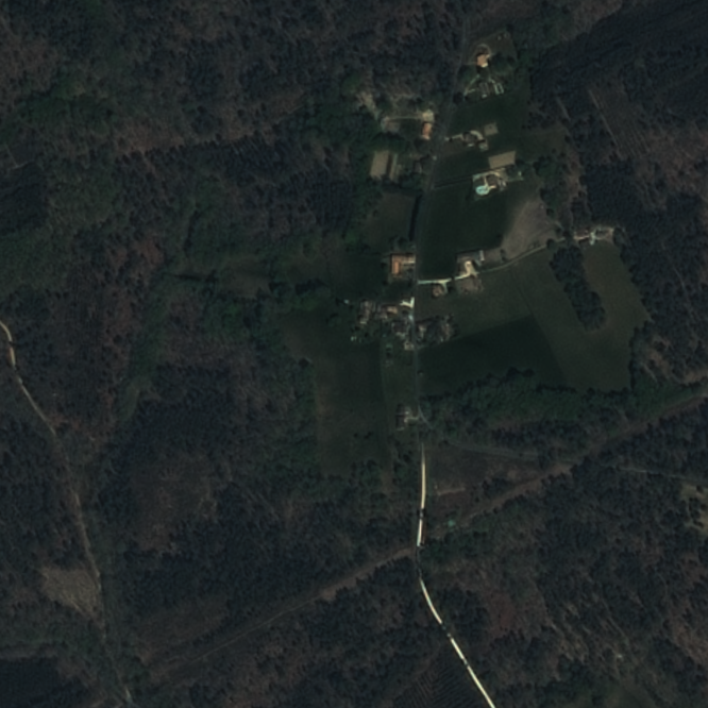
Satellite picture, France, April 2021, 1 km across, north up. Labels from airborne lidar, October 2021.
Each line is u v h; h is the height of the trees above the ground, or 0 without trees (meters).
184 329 14
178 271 20
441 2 12
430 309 0
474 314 0
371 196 19
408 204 0
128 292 8
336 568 16
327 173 13
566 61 9
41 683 12
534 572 14
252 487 14
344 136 16
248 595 22
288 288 19
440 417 15
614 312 0
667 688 15
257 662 9
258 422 19
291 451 21
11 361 8
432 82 9
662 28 11
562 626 17
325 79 21
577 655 9
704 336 15
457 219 0
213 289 8
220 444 18
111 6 14
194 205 26
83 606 0
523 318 0
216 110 11
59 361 14
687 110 6
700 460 21
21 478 23
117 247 20
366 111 10
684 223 21
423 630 0
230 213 17
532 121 7
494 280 0
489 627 11
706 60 24
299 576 18
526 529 15
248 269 0
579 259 21
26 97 9
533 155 0
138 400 7
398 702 10
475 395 24
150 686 6
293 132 19
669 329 25
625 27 11
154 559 15
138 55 16
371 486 13
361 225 9
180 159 25
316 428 17
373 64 19
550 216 11
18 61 14
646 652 14
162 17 19
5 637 21
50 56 10
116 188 20
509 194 0
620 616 0
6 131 7
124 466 8
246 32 11
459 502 0
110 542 20
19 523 19
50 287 14
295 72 17
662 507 15
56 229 15
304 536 7
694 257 16
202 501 0
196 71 21
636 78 18
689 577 11
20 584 19
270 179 20
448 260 0
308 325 0
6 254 16
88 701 20
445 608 14
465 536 16
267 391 22
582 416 17
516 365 0
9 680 13
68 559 16
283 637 10
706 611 7
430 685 7
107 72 14
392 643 0
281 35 12
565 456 13
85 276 7
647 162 7
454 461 0
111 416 14
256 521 14
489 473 0
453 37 8
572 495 18
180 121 18
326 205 18
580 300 24
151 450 22
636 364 19
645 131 18
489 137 0
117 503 24
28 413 18
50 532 25
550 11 19
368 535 14
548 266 0
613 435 14
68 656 19
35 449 25
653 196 12
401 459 8
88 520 23
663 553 6
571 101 21
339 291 0
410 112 11
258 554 17
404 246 12
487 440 14
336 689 13
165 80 26
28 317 17
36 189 9
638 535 21
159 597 21
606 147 17
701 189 13
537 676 16
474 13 20
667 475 17
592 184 19
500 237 7
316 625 7
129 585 26
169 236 19
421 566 17
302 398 19
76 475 13
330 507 7
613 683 23
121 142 10
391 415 0
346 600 12
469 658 6
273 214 15
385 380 0
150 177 8
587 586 13
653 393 25
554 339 0
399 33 24
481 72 15
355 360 0
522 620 11
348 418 0
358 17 22
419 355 0
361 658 0
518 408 19
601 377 0
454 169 0
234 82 7
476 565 14
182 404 10
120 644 16
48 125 15
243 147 14
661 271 21
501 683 18
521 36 17
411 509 11
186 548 22
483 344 0
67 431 17
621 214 22
